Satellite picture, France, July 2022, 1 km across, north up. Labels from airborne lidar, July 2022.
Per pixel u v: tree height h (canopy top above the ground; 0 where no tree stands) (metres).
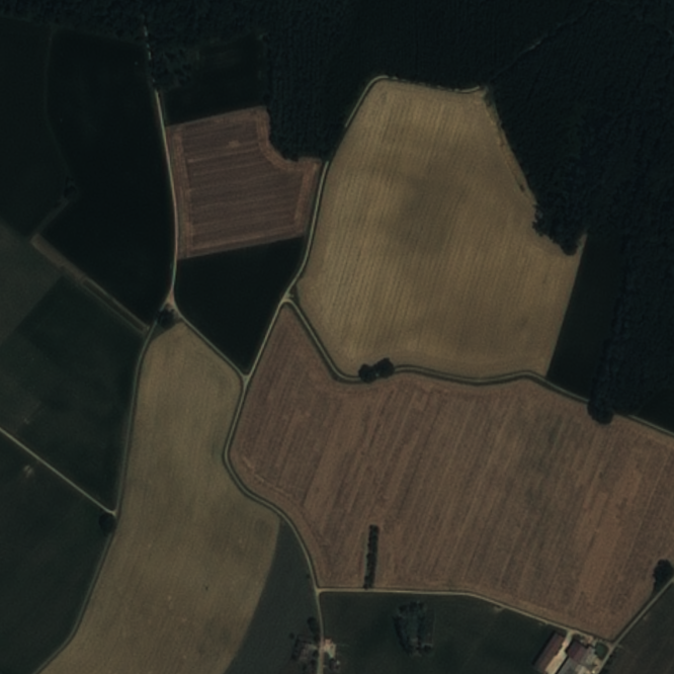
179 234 0
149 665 0
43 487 0
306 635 0
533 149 10
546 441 0
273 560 0
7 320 0
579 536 0
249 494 0
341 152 0
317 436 0
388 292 0
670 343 25
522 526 0
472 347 0
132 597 0
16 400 0
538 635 0
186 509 0
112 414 0
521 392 0
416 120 0
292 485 0
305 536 0
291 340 0
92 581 0
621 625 0
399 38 11
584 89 15
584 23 16
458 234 0
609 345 18
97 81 0
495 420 0
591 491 0
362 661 0
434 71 13
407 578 0
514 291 0
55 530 0
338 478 0
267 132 0
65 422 0
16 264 0
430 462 0
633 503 0
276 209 0
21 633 0
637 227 20
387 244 0
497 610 0
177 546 0
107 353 0
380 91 0
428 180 0
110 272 0
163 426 0
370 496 0
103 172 0
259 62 0
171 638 0
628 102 17
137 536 0
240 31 17
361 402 0
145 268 0
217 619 0
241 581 0
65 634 0
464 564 0
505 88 13
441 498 0
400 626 25
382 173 0
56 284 0
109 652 0
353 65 10
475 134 0
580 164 27
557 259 0
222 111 0
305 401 0
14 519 0
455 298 0
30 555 0
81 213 0
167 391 0
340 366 0
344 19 20
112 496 0
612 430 0
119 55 0
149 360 0
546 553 0
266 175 0
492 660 0
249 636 0
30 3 26
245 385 0
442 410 0
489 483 0
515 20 12
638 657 0
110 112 0
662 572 15
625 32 17
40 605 0
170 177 0
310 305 0
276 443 0
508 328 0
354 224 0
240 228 0
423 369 0
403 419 0
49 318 0
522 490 0
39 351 0
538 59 16
